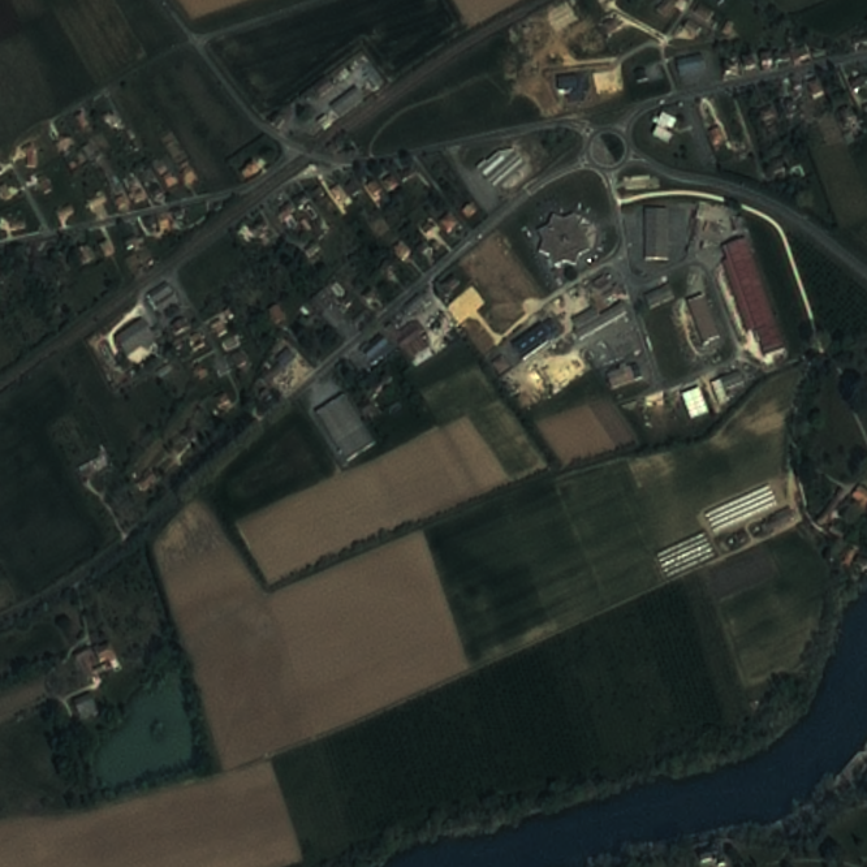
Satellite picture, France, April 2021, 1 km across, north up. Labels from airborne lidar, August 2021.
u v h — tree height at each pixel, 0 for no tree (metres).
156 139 0
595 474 0
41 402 0
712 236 0
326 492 0
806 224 0
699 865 14
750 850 13
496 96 0
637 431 0
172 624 12
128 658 8
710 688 6
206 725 8
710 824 0
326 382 0
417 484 0
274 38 0
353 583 0
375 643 0
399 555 0
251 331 16
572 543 0
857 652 0
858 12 0
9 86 0
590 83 0
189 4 0
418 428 0
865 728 0
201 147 0
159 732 8
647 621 6
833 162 0
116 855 0
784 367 16
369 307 8
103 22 0
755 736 13
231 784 0
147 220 8
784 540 0
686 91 0
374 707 0
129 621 6
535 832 0
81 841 0
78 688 10
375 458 0
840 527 7
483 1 0
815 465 15
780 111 7
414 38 0
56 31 0
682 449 7
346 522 0
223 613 0
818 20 0
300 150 0
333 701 0
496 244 0
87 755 28
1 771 0
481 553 0
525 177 0
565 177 0
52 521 0
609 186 0
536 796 8
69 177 0
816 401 14
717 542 0
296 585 0
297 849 0
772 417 0
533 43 0
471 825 26
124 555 13
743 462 0
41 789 0
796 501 0
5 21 0
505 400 7
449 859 0
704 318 0
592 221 0
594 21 0
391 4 0
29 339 7
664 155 0
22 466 0
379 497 0
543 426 0
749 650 0
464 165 0
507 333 0
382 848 18
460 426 0
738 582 0
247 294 16
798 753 0
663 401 0
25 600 10
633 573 0
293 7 0
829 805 26
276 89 0
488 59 0
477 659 0
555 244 0
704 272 0
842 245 0
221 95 0
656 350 0
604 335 0
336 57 0
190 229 11
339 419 0
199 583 0
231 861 0
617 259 0
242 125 0
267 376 0
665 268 0
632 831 0
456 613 0
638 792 0
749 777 0
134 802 0
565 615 0
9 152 0
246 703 0
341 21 0
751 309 0
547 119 0
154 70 0
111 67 0
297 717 0
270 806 0
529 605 0
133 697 0
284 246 14
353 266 7
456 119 0
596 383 0
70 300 0
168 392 13
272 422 29
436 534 0
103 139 0
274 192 0
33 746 0
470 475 0
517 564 0
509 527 0
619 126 0
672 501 0
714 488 0
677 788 0
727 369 0
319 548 0
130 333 0
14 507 0
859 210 0
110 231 0
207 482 29
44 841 0
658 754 10
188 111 0
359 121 0
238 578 0
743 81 0
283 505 0
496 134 0
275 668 0
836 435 0
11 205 0
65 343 0
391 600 0
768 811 0
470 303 0
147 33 0
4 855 0
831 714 0
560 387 0
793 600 0
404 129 0
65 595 11
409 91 0
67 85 0
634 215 0
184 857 0
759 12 10
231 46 0
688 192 0
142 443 12
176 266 0
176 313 11
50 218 0
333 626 0
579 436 0
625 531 0
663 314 0
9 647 0
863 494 0
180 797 0
